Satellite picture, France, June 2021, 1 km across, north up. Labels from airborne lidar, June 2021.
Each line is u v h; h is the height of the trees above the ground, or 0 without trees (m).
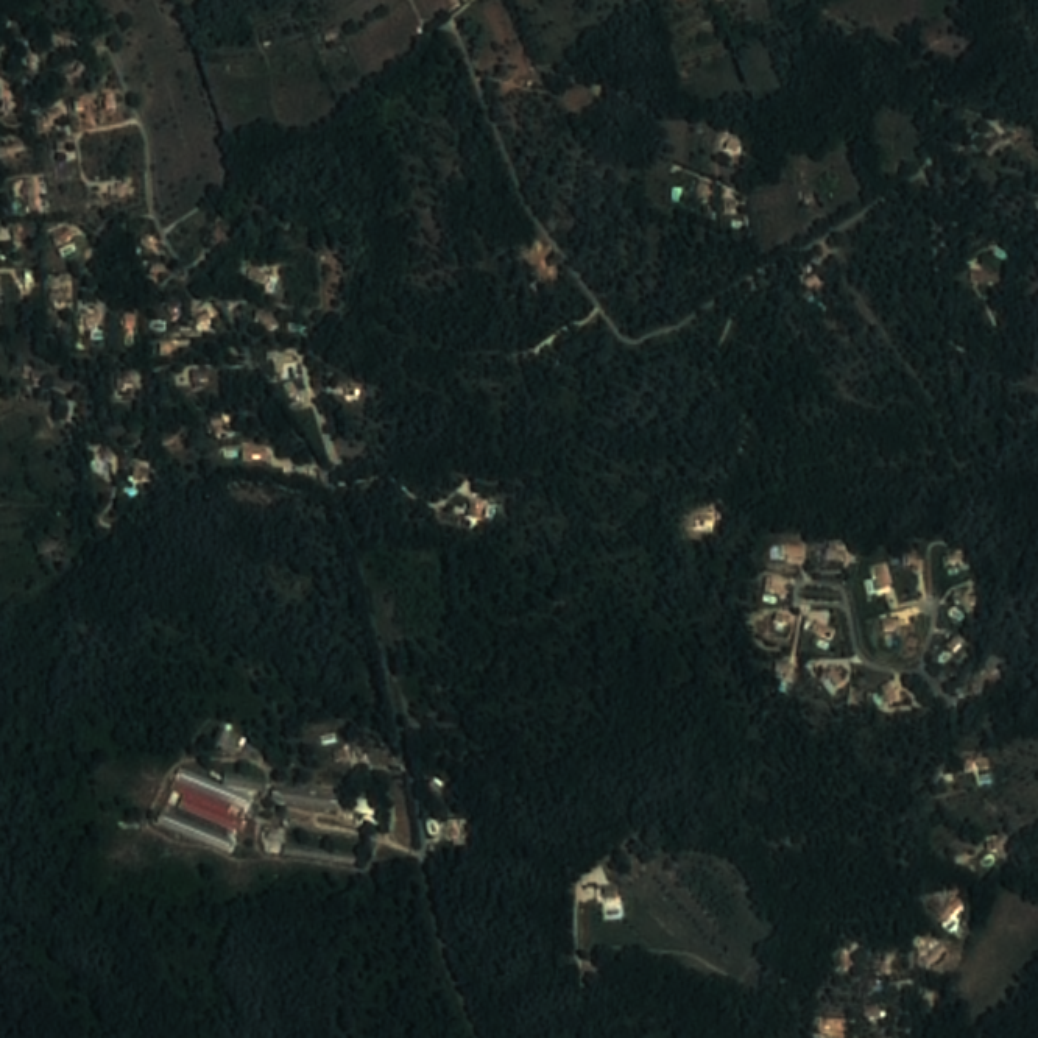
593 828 15
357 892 21
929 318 11
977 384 17
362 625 18
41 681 9
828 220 10
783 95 13
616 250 18
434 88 10
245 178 17
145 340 10
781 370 12
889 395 9
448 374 16
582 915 0
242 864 0
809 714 10
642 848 14
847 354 7
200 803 0
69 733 8
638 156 18
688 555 24
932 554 0
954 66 16
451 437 13
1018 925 0
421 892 19
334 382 11
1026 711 21
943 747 13
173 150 0
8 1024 19
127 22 12
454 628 18
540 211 10
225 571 20
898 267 13
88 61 14
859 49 14
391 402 11
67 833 10
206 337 16
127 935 18
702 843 14
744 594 11
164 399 20
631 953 17
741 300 8
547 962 14
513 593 22
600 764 12
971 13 13
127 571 12
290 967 14
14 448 7
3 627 7
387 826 9
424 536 21
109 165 7
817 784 13
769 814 10
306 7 12
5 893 6
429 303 19
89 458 13
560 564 17
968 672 14
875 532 12
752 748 14
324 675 20
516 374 7
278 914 17
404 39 0
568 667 10
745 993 13
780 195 0
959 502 11
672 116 19
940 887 16
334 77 6
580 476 12
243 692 0
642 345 9
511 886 19
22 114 14
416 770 20
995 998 0
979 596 9
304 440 19
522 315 12
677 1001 16
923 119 18
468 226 16
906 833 15
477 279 12
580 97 0
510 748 20
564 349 19
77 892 6
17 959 19
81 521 17
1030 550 16
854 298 7
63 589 17
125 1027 21
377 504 16
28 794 13
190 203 0
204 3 21
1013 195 12
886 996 6
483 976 19
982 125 11
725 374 15
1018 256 16
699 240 13
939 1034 21
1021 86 14
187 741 9
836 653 8
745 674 15
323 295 0
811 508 13
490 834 20
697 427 22
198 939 19
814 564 11
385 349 13
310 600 13
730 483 10
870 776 12
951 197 12
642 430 19
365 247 21
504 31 0
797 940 12
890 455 12
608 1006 15
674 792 11
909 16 0
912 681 15
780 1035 13
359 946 18
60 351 17
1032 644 17
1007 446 18
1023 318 12
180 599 19
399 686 0
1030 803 0
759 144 12
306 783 8
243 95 0
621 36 16
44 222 10
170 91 0
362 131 17
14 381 10
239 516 17
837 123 12
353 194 18
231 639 22
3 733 17
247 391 11
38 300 10
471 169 16
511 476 13
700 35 8
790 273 15
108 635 14
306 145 17
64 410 14
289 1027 20
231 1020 12
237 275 11
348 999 13
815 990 8
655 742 13
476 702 20
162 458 14
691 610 18
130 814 15
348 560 21
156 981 17
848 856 12
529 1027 15
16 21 16
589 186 18
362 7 0
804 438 7
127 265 18
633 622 16
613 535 6
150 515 19
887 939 15
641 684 21
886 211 14
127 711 17
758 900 17
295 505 28
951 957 0
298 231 10
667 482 12
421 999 14
